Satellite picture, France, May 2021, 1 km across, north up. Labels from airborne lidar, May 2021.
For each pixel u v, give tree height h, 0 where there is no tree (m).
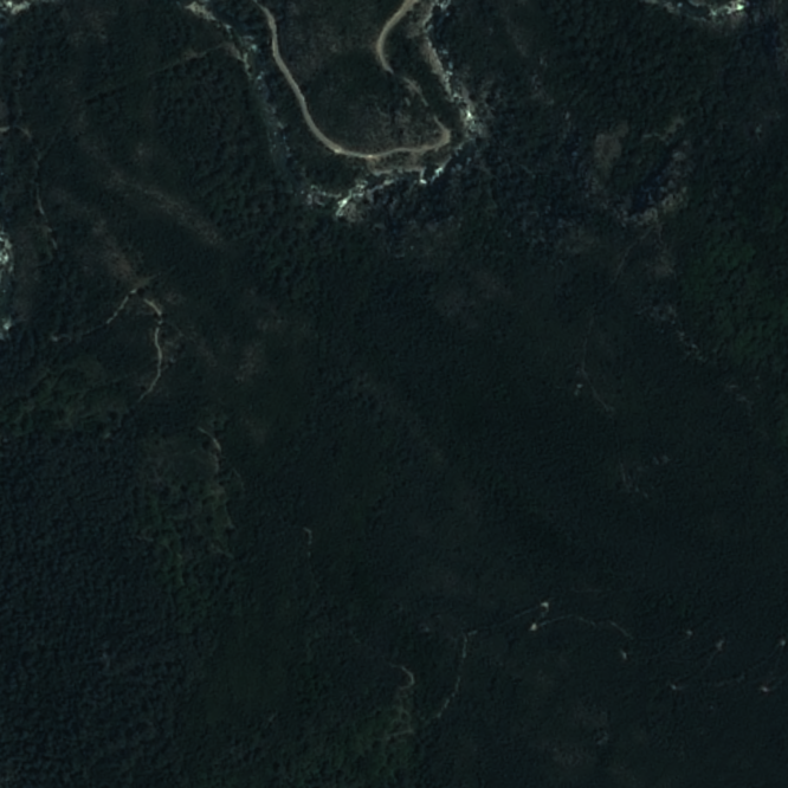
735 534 10
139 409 9
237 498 13
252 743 14
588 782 6
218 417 9
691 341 11
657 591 11
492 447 15
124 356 12
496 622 12
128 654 21
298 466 13
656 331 13
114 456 21
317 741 8
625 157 12
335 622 13
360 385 7
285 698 8
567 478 16
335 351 8
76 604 22
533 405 6
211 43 6
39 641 24
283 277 22
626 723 8
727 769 7
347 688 14
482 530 7
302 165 18
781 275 27
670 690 14
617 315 9
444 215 10
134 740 23
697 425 6
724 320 17
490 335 6
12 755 9
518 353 6
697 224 8
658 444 10
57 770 21
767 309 13
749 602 11
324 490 7
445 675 6
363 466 6
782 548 10
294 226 24
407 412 6
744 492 9
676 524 11
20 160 10
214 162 11
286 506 20
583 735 6
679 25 10
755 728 10
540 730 7
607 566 11
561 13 24
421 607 8
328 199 15
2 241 0
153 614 19
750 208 11
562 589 12
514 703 10
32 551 9
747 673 13
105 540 19
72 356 13
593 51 15
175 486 8
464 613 8
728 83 13
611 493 11
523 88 6
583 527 12
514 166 8
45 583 19
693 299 15
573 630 7
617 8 17
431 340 8
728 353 17
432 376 15
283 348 6
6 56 8
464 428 13
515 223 6
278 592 9
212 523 22
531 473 14
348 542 11
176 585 13
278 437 11
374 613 14
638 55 21
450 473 6
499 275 7
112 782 9
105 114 17
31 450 19
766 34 12
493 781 11
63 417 12
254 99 31
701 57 12
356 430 7
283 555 8
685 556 8
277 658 8
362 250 8
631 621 10
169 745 20
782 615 9
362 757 16
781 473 8
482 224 8
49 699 10
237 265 12
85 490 20
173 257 16
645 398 6
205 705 11
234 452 9
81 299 17
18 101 19
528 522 9
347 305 14
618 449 11
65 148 10
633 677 9
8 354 22
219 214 13
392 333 12
